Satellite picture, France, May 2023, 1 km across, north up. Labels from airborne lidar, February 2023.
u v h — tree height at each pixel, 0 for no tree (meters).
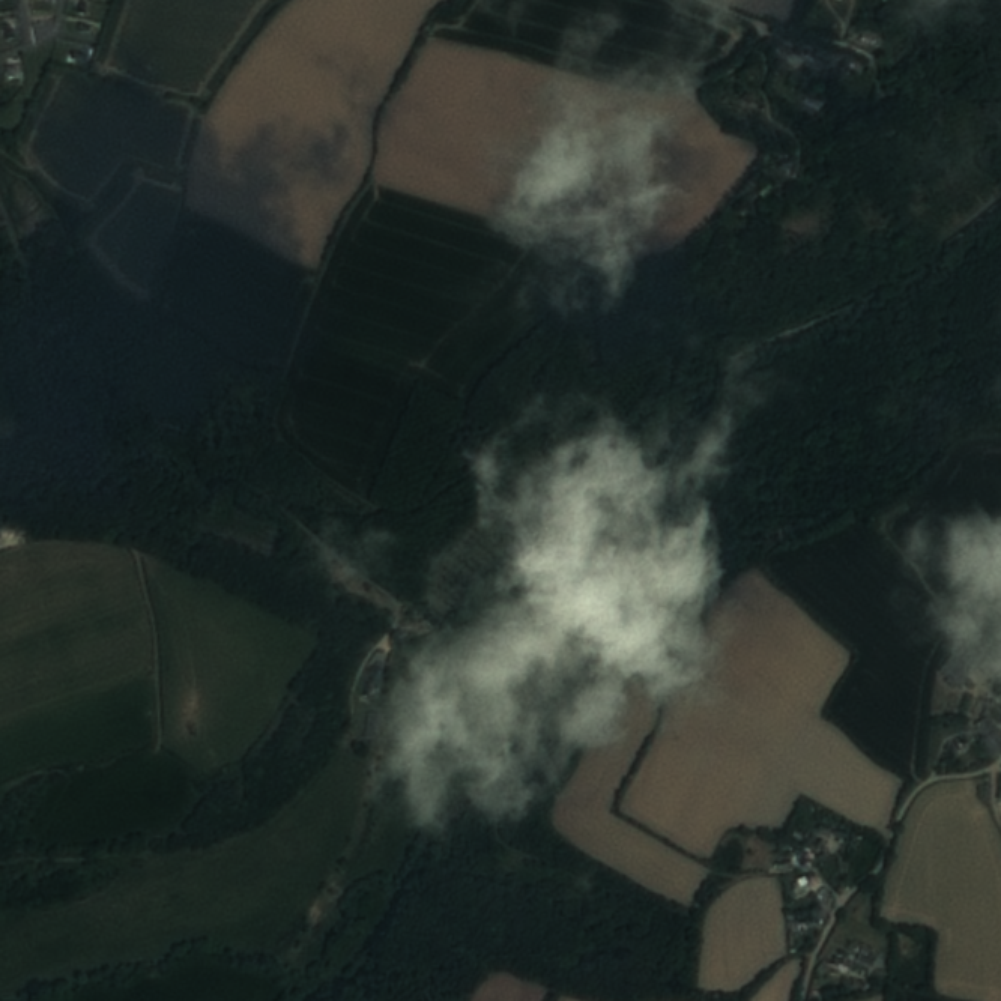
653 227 0
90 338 13
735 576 11
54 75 0
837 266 14
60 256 18
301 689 10
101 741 0
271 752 10
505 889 18
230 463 17
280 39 0
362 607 13
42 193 0
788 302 17
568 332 21
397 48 0
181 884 0
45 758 0
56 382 20
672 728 0
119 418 8
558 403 19
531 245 0
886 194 16
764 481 10
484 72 0
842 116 8
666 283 18
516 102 0
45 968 0
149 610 0
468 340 0
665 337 19
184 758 0
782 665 0
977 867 0
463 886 16
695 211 0
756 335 20
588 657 14
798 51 12
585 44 0
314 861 0
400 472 9
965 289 15
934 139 15
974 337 19
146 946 0
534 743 12
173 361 17
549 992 10
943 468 9
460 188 0
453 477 7
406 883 18
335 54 0
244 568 15
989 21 24
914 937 7
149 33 0
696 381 13
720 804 0
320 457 0
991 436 0
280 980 29
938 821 0
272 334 0
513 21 0
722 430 13
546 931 15
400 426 7
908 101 19
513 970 14
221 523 0
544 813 6
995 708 0
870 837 8
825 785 0
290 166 0
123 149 0
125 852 10
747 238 18
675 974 8
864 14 10
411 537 9
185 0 0
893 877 0
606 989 20
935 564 0
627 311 22
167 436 17
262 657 0
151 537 20
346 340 0
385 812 0
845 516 22
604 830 0
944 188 0
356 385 0
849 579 0
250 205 0
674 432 10
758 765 0
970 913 0
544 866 10
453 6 14
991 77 16
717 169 0
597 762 0
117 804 0
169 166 0
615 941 9
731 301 17
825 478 7
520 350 16
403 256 0
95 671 0
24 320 30
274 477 18
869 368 16
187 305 0
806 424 12
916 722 0
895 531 0
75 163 0
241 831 14
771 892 0
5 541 0
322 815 0
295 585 16
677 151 0
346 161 0
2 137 12
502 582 8
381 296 0
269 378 17
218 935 0
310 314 0
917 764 0
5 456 25
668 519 12
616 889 14
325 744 12
